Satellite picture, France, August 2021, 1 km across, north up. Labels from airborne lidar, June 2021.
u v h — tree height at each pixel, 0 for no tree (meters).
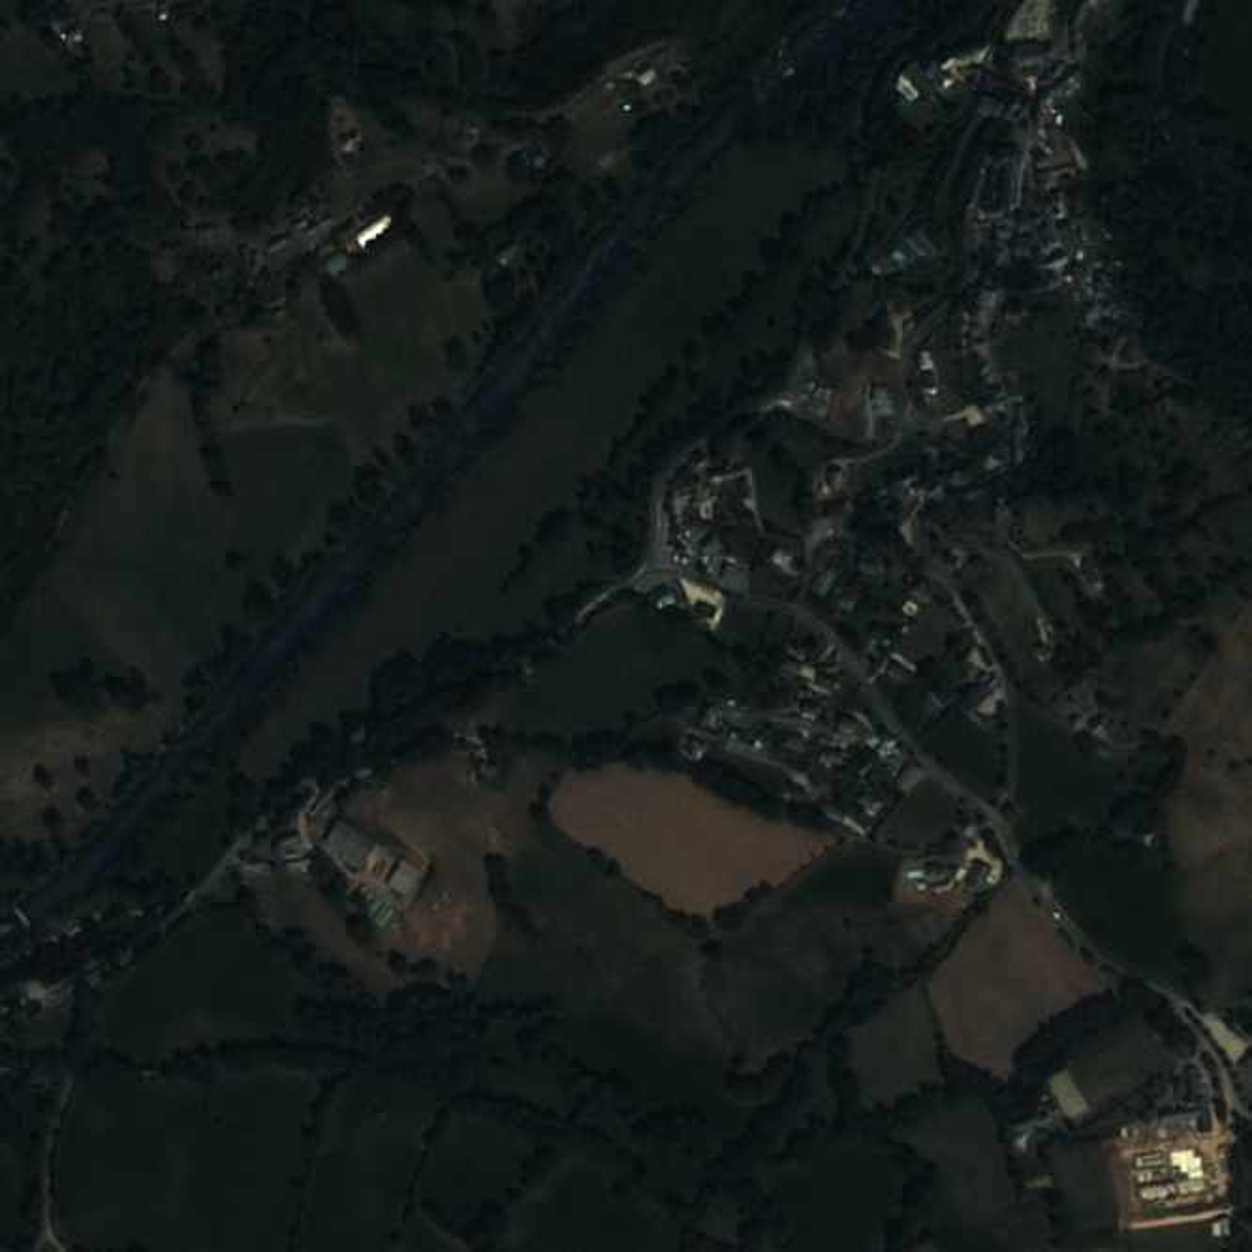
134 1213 0
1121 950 0
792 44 0
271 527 0
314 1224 0
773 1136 18
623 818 0
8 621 18
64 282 24
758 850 0
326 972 14
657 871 0
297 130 27
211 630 0
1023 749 0
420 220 0
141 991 0
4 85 0
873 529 14
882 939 0
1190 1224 0
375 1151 0
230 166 21
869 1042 0
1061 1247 12
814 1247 0
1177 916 0
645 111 14
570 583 0
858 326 0
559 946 0
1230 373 19
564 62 19
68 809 0
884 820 6
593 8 21
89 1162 0
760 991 0
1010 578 0
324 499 0
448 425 17
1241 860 0
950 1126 0
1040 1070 16
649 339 0
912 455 0
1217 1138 0
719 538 7
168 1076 11
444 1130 9
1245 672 0
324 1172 0
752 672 22
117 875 10
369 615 0
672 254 0
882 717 0
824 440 7
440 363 0
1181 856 0
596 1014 0
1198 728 0
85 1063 13
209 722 0
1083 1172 0
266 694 28
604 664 0
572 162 0
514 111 18
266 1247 0
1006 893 0
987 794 0
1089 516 13
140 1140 0
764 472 0
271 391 0
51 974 10
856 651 8
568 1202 0
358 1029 22
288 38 10
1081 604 9
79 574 0
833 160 0
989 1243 0
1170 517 15
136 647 0
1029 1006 0
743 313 15
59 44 21
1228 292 0
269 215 9
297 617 0
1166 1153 0
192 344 0
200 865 0
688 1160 17
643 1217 0
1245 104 0
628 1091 22
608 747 16
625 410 0
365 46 12
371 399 0
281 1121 0
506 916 11
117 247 22
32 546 10
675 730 0
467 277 0
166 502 0
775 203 0
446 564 0
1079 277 0
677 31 9
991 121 8
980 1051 0
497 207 0
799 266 16
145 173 22
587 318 18
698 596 0
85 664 0
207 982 0
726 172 0
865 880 0
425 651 0
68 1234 0
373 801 0
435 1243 0
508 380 0
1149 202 16
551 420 0
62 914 18
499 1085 0
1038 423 6
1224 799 0
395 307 0
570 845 0
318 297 0
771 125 18
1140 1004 17
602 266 0
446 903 0
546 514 0
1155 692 0
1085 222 0
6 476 19
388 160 0
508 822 0
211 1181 0
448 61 17
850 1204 0
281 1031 0
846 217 0
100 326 17
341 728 0
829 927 0
